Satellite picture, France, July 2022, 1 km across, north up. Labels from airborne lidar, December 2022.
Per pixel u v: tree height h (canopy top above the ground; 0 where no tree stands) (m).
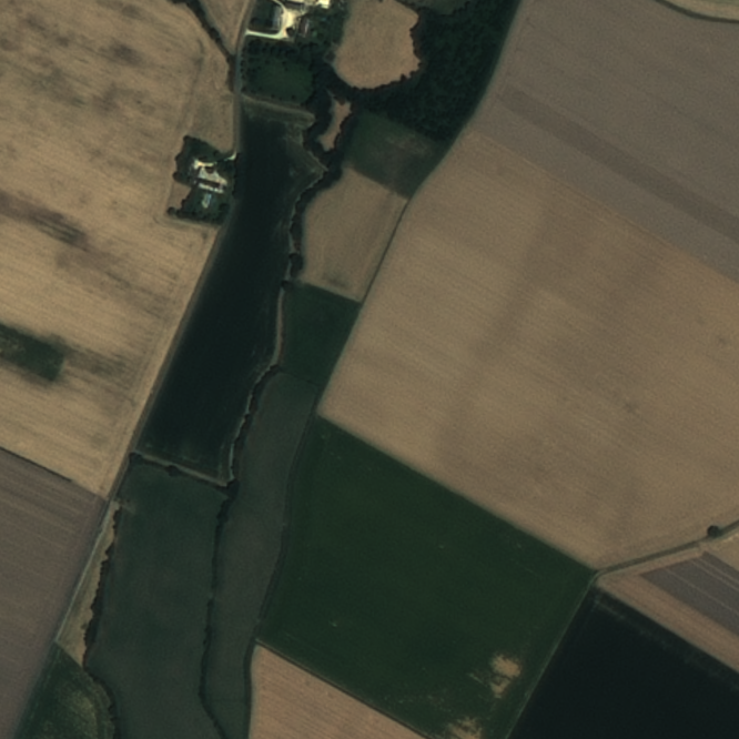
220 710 0
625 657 0
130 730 0
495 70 0
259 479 0
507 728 0
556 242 0
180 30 0
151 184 0
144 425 0
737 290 0
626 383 0
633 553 0
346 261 0
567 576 0
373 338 0
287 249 0
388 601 0
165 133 0
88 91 0
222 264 0
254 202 0
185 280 0
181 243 0
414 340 0
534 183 0
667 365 0
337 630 0
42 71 0
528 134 0
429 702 0
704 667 0
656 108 0
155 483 0
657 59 0
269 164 0
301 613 0
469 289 0
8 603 0
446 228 0
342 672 0
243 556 0
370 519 0
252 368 0
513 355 0
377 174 0
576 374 0
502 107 0
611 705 0
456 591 0
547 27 0
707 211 0
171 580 0
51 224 0
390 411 0
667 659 0
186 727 0
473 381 0
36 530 0
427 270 0
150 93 0
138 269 0
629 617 0
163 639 0
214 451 0
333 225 0
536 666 0
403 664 0
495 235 0
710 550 0
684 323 0
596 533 0
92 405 0
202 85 0
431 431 0
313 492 0
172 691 0
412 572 0
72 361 0
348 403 0
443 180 0
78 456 0
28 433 0
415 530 0
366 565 0
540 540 0
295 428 0
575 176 0
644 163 0
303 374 0
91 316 0
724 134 0
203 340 0
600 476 0
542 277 0
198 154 6
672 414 0
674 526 0
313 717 0
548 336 0
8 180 0
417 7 8
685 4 0
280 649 0
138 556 0
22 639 0
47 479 0
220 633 0
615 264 0
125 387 0
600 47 0
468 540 0
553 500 0
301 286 0
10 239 0
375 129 0
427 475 0
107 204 0
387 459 0
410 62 0
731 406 0
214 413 0
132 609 0
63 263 0
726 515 0
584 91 0
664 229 0
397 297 0
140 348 0
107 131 0
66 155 0
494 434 0
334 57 0
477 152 0
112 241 0
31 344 0
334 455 0
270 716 0
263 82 0
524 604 0
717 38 0
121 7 0
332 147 0
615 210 0
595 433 0
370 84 0
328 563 0
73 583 0
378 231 0
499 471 0
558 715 0
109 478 0
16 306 0
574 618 0
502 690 0
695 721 0
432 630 0
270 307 0
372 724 0
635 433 0
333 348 0
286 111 0
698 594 0
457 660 0
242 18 0
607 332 0
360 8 0
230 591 0
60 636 0
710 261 0
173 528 0
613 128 0
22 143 0
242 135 0
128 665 0
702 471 0
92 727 0
